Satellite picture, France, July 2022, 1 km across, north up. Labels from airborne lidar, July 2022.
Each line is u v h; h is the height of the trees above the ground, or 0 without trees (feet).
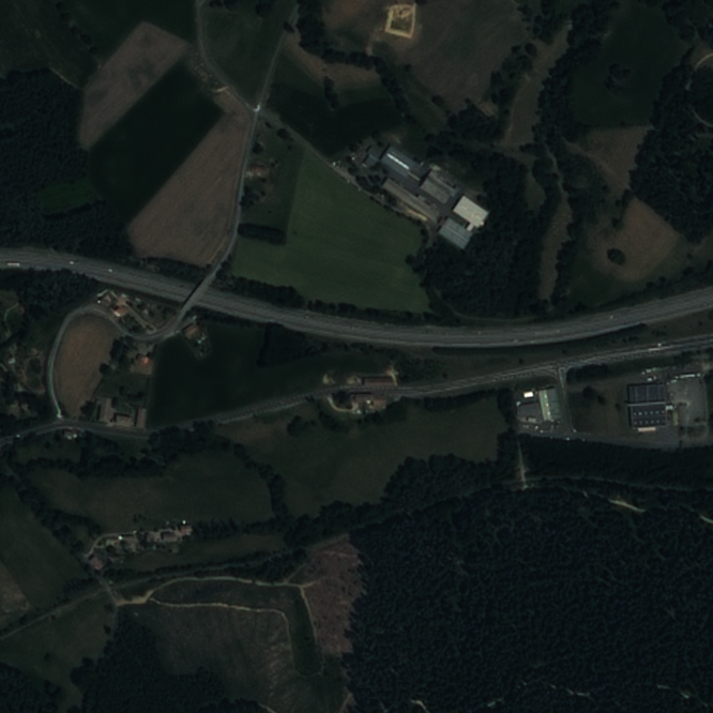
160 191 0
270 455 0
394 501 61
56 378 0
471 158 48
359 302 0
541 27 27
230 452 59
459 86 0
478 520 62
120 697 34
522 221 63
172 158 0
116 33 0
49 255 0
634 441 0
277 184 0
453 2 0
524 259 66
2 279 63
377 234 0
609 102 0
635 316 0
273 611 0
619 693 75
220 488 0
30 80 68
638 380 0
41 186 60
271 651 0
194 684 29
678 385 0
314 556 0
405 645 86
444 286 48
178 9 0
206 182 0
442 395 0
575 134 48
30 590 0
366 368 0
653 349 0
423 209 0
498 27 0
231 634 0
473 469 68
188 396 0
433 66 0
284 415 0
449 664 96
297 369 0
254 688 0
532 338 0
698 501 52
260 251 0
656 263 0
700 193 30
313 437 0
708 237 26
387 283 0
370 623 81
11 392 80
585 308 55
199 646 0
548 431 0
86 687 60
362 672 86
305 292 0
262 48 0
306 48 64
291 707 0
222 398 0
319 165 0
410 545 90
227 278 40
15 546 0
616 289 0
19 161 78
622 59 0
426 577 89
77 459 0
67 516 28
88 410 54
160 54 0
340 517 68
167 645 0
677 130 75
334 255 0
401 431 0
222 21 0
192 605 0
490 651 76
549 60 0
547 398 0
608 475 54
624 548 40
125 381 0
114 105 0
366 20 0
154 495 0
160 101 0
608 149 0
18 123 30
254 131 0
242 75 0
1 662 0
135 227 0
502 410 40
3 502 0
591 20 77
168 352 0
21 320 0
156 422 0
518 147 0
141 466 59
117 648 28
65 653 0
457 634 109
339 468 0
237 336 0
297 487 0
